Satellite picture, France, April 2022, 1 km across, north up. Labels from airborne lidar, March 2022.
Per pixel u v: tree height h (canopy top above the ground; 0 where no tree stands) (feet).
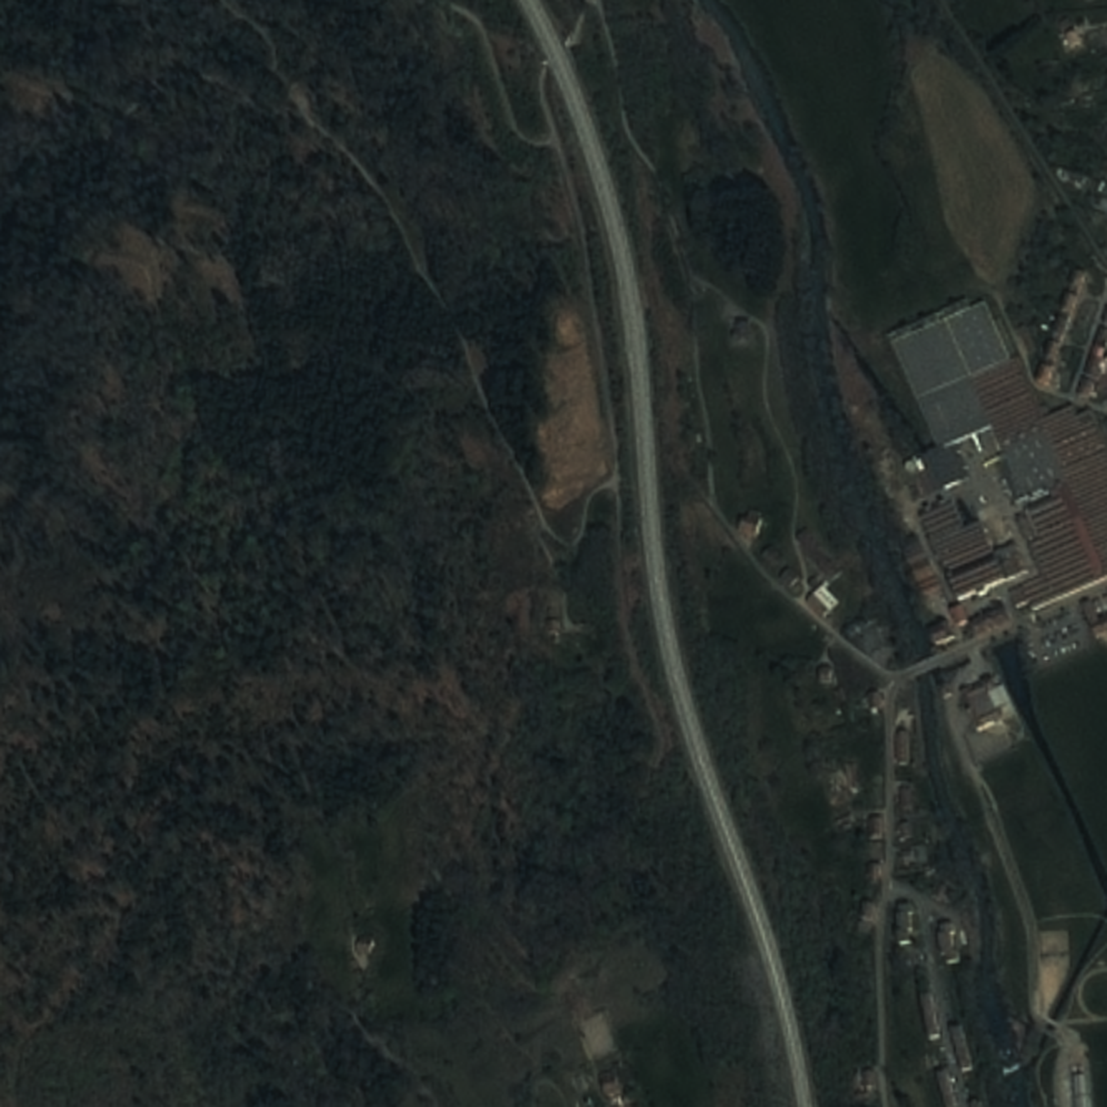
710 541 0
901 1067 0
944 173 0
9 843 87
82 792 32
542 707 92
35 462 58
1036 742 0
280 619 99
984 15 0
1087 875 0
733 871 0
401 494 121
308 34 69
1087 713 0
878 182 0
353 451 126
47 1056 26
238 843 27
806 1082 0
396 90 61
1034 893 0
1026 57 0
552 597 0
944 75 0
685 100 52
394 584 93
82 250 74
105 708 67
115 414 95
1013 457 0
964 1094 0
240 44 36
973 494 0
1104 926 0
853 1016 76
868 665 0
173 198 94
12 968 29
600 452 0
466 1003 79
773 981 0
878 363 0
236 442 77
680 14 65
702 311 56
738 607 0
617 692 64
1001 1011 0
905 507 0
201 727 27
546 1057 0
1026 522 0
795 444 0
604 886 102
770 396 0
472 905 105
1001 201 0
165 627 69
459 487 25
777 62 0
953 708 0
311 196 96
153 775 40
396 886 0
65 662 100
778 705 0
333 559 25
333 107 73
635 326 0
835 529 45
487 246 93
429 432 104
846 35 0
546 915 123
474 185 84
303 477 101
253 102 88
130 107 85
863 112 0
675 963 31
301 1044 58
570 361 0
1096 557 0
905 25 46
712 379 0
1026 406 0
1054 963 0
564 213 0
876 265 0
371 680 71
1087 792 0
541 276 27
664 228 19
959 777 0
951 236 0
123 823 39
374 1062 115
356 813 79
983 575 0
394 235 77
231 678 25
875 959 0
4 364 71
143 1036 24
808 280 38
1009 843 0
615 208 0
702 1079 0
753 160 54
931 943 0
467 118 66
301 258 103
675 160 0
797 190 0
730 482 0
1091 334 0
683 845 30
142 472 91
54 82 64
